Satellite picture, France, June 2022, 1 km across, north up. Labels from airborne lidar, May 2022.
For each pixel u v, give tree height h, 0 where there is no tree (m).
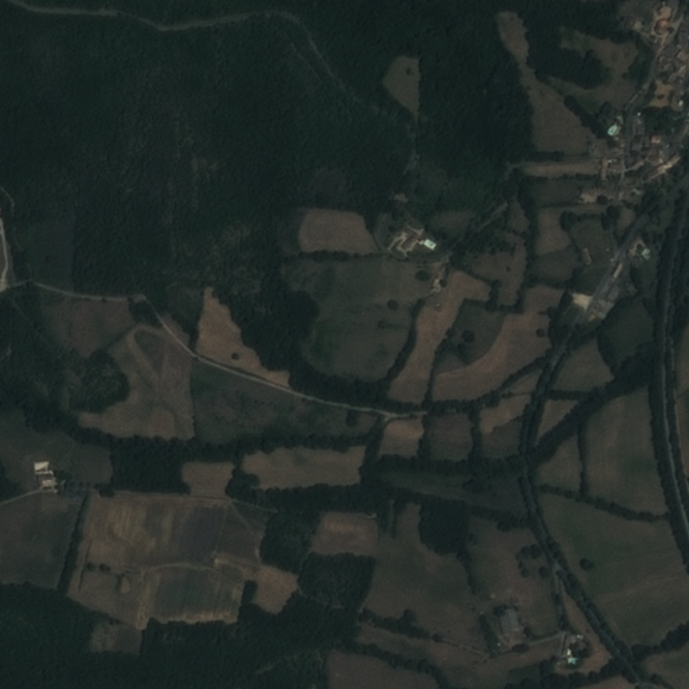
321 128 11
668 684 9
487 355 0
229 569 0
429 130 9
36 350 12
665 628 0
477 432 13
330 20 12
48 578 0
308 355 0
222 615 0
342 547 0
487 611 0
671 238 14
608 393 24
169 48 6
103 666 14
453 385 0
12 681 9
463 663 0
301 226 0
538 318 0
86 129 6
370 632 0
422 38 18
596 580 0
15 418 0
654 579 0
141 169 7
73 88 6
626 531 0
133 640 0
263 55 12
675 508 14
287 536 7
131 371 0
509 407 0
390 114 12
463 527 16
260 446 6
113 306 0
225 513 0
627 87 0
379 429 9
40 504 0
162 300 8
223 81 11
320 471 0
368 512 11
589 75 18
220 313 0
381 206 13
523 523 15
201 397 0
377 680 0
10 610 8
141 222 6
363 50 18
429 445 8
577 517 0
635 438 0
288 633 13
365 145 12
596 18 13
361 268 0
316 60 8
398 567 0
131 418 0
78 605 6
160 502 0
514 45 0
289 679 10
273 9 10
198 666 13
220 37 8
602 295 0
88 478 0
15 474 0
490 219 12
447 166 12
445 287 10
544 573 16
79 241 9
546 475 0
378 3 19
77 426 6
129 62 11
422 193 12
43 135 11
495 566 0
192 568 0
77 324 0
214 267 8
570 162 0
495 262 0
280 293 12
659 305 15
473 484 18
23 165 9
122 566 0
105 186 6
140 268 7
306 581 8
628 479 0
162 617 0
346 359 0
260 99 12
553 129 0
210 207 8
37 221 9
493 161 15
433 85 11
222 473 0
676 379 8
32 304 8
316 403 7
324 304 0
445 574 0
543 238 0
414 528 0
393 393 0
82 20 6
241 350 0
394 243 0
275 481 0
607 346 19
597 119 12
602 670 6
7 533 0
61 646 13
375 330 0
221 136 9
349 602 10
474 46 7
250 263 9
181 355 0
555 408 0
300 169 11
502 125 22
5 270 0
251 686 10
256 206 10
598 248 0
